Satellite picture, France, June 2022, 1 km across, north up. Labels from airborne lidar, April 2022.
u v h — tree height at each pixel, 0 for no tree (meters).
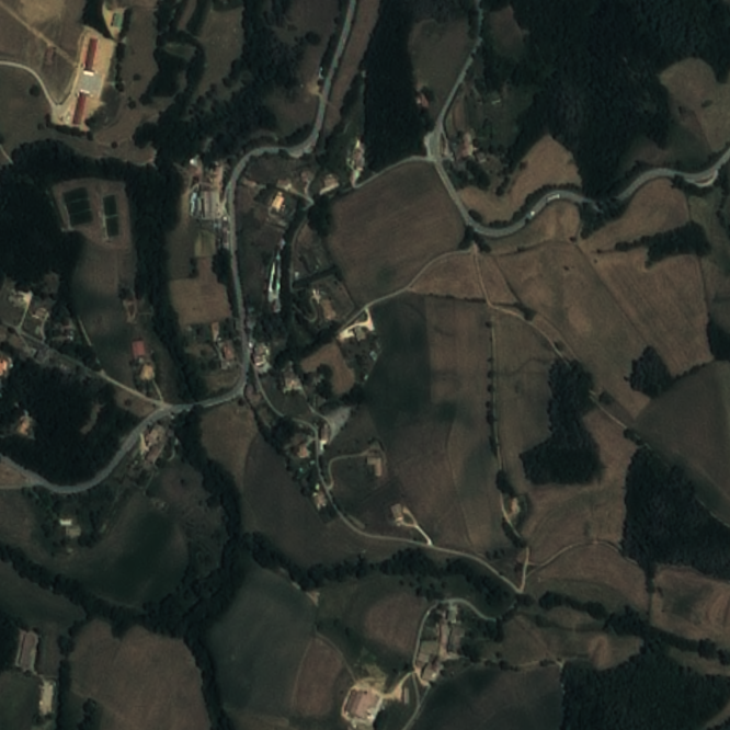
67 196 0
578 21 23
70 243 20
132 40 0
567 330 0
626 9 21
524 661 0
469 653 17
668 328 0
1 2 0
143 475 6
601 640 0
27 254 28
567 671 10
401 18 15
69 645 25
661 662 18
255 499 0
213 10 0
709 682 14
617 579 0
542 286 0
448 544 0
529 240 0
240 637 0
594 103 10
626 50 16
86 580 0
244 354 0
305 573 17
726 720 0
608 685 18
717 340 12
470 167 12
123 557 0
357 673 0
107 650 0
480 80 8
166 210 18
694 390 0
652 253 8
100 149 0
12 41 0
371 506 0
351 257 0
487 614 0
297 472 7
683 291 0
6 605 0
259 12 10
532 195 6
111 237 0
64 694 13
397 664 0
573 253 0
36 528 0
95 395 12
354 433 0
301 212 8
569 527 0
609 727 21
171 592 0
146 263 13
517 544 19
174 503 0
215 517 0
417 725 0
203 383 16
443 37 0
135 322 0
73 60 0
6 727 0
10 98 0
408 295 0
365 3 0
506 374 0
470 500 0
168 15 13
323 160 11
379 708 0
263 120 20
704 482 0
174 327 22
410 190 0
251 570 0
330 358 0
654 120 8
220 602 22
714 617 0
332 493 7
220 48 0
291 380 0
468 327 0
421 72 0
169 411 0
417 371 0
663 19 24
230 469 0
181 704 0
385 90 17
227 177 8
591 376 12
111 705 0
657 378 17
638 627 18
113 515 0
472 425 0
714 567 13
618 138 14
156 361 9
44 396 23
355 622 0
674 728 21
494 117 0
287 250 11
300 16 0
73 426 23
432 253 0
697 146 0
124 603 0
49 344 10
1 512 0
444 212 0
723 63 16
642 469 14
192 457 17
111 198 0
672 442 0
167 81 11
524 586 0
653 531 18
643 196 0
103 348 0
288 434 31
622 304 0
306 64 0
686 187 11
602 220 10
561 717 0
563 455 12
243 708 0
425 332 0
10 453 13
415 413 0
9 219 25
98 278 0
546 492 0
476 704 0
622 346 0
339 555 0
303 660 0
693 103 0
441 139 0
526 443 0
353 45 0
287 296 14
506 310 0
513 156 13
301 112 0
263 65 19
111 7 0
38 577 15
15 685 0
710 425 0
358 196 0
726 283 0
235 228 0
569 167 0
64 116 0
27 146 13
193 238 0
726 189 7
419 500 0
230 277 12
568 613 0
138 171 16
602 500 0
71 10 0
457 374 0
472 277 0
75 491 0
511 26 0
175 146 17
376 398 0
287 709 0
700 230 7
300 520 0
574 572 0
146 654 0
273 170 0
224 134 19
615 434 0
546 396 0
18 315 0
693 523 20
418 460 0
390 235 0
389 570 20
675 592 0
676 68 0
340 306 0
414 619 0
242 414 0
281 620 0
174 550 0
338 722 0
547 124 11
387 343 0
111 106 0
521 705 0
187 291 0
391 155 17
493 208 0
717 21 20
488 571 0
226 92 0
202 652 20
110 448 17
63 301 15
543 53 6
